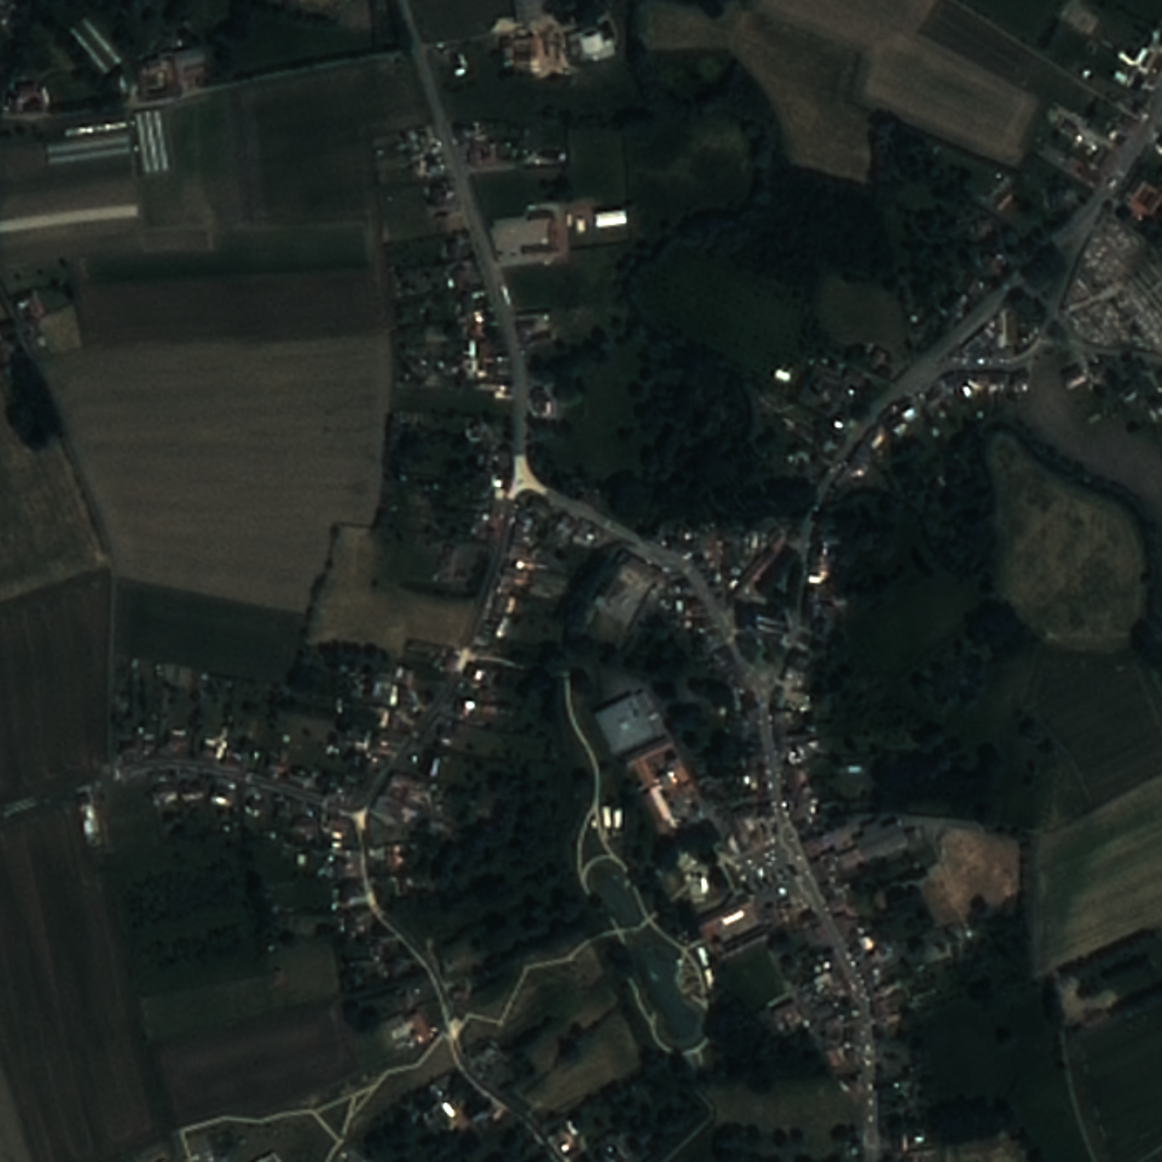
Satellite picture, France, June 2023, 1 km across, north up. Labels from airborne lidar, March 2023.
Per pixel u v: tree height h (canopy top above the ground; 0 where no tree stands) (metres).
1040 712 0
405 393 0
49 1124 0
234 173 0
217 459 0
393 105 0
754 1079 22
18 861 0
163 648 0
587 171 0
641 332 13
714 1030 20
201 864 0
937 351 0
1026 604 0
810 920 0
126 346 0
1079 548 0
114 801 0
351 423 0
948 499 18
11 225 0
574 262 0
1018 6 0
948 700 10
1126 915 0
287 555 0
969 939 0
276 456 0
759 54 0
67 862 0
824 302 0
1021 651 0
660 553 0
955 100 0
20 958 0
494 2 0
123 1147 0
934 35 0
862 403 13
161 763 0
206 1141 0
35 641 0
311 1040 0
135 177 0
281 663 0
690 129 0
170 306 0
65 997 0
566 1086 0
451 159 0
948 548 12
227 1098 0
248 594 0
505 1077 0
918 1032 6
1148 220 13
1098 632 0
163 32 0
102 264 0
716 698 13
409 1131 11
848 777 0
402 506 0
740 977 0
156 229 0
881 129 17
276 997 0
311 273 0
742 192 0
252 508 0
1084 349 0
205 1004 0
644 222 0
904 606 0
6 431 0
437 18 0
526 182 0
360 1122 0
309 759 0
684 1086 18
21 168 0
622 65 0
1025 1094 0
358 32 0
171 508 0
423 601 0
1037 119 0
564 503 0
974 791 30
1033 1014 0
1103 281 0
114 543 0
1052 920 0
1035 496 0
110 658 0
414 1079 0
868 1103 0
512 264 0
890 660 0
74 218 0
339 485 0
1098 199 0
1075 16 0
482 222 0
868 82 0
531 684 17
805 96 0
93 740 0
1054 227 8
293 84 0
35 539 0
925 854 0
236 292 0
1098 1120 0
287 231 0
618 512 14
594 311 0
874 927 6
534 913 14
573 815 0
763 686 0
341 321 0
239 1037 0
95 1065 0
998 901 0
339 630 0
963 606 0
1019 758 0
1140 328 0
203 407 0
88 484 0
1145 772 0
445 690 0
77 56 16
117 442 0
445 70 0
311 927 0
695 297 0
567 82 0
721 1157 18
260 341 0
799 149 0
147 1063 0
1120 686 0
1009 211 0
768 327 0
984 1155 0
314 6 0
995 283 12
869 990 0
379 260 0
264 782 0
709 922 0
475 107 0
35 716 0
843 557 17
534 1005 0
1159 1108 0
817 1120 0
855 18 0
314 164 0
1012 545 0
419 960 0
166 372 0
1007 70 0
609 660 14
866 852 0
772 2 0
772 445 8
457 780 0
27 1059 0
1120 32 0
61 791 0
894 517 15
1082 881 0
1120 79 0
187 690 0
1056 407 0
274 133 0
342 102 0
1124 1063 0
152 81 0
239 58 0
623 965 22
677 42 0
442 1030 0
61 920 0
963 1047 0
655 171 0
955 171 6
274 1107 0
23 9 11
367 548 0
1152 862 0
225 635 0
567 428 14
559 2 12
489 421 11
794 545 0
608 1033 0
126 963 0
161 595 0
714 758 12
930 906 0
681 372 30
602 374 0
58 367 0
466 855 16
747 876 0
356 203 0
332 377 0
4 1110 0
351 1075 0
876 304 0
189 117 0
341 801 0
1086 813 0
